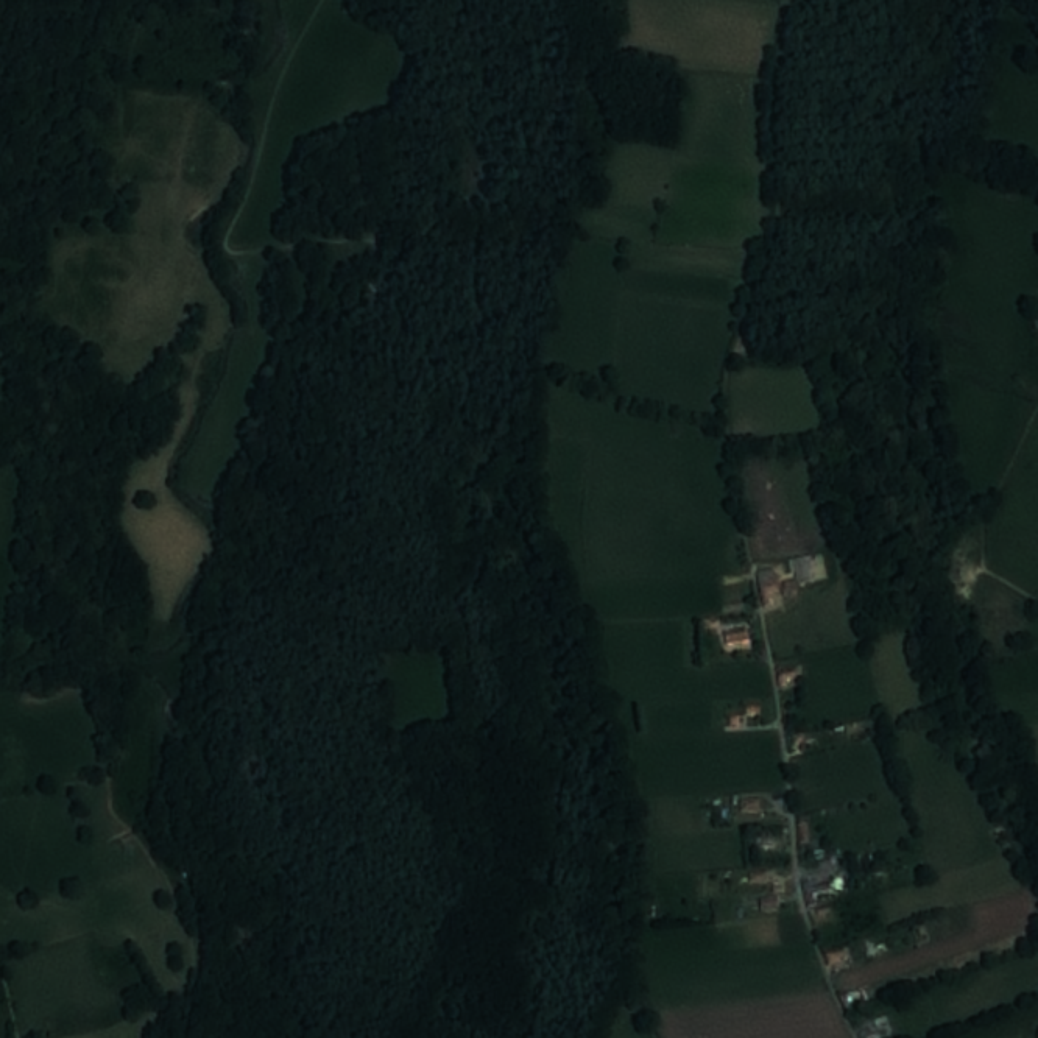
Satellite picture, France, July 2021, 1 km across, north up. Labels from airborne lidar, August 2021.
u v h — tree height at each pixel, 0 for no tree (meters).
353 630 27
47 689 22
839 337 23
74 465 21
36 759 0
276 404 25
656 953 0
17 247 17
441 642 26
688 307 0
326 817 29
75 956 0
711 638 7
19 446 21
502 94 25
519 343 28
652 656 0
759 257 21
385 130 34
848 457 7
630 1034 0
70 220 23
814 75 31
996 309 0
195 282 0
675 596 0
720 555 0
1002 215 0
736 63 0
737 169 0
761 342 26
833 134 24
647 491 0
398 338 30
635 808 26
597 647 26
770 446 22
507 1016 37
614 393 13
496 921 36
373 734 26
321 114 0
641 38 0
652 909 16
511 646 23
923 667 17
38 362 20
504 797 35
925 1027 0
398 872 32
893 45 21
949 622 25
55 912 0
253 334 0
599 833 29
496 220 14
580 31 29
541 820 34
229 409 0
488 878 25
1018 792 23
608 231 0
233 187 9
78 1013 0
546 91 29
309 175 30
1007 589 0
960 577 0
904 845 12
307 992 28
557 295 29
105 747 24
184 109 0
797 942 0
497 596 28
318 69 0
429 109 28
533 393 23
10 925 0
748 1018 0
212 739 28
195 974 12
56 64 27
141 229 0
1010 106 0
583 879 29
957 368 0
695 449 0
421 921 26
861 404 26
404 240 10
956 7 10
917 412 27
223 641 29
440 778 21
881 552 30
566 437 0
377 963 31
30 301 15
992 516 19
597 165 25
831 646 0
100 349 23
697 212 0
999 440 0
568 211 25
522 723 35
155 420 30
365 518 33
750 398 0
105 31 21
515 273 27
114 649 18
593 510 0
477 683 31
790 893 0
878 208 17
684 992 0
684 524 0
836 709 0
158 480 0
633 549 0
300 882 33
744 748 0
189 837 19
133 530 0
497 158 34
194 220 0
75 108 5
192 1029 18
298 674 29
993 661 17
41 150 9
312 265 22
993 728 27
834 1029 0
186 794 19
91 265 0
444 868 28
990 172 25
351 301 14
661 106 26
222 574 19
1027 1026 0
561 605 28
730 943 0
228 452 0
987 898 0
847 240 34
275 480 33
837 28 22
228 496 20
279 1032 24
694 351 0
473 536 27
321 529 28
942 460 19
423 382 28
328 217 26
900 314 25
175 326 0
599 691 25
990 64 27
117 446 23
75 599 21
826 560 0
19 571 19
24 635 18
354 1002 25
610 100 25
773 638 0
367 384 22
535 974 31
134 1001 18
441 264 37
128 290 0
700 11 0
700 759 0
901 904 0
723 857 0
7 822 0
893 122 24
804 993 0
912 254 27
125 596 21
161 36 21
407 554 24
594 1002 32
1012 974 0
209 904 24
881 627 21
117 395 26
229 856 20
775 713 0
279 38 0
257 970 22
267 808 15
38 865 0
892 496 25
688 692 0
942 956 0
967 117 28
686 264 0
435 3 24
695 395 0
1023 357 0
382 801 35
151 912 0
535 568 27
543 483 25
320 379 27
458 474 27
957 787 0
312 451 29
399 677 0
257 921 23
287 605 23
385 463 33
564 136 32
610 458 0
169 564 0
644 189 0
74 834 0
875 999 7
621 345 0
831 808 0
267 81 0
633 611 0
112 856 0
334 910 19
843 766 0
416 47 24
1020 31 0
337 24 0
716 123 0
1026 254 0
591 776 28
